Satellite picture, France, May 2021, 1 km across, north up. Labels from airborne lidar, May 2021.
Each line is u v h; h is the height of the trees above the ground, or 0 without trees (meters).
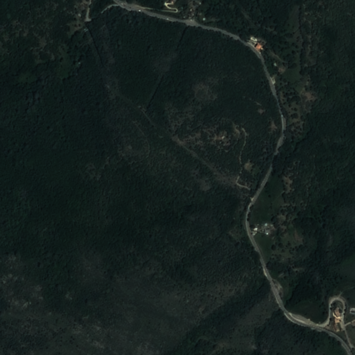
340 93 11
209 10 13
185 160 8
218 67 7
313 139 12
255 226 9
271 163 16
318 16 9
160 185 8
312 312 0
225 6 12
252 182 10
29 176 11
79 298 5
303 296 14
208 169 9
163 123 10
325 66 9
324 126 12
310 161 7
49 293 10
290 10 12
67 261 7
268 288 8
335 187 10
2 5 12
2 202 10
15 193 14
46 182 8
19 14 9
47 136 11
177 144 6
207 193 7
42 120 12
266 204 0
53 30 10
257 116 7
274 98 14
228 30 9
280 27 8
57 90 16
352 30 9
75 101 9
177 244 7
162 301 0
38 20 11
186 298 8
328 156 10
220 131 6
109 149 7
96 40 10
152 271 7
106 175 7
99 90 10
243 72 7
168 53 8
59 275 7
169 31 10
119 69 9
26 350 16
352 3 10
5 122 16
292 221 9
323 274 13
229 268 8
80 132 8
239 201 11
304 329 13
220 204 8
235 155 8
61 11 9
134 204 10
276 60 8
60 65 17
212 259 7
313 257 16
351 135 12
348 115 7
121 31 10
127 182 12
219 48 8
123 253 7
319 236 12
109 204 7
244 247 15
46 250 11
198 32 12
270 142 9
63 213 11
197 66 8
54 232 13
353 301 0
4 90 19
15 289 6
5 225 14
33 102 12
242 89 12
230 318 6
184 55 14
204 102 8
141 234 10
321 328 0
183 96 10
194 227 8
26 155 16
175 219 16
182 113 7
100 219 11
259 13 14
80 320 8
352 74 5
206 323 14
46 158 10
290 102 10
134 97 9
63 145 15
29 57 18
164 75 7
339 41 9
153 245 7
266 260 0
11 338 9
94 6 7
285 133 12
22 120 11
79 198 11
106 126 10
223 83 6
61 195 13
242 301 10
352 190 5
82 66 13
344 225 6
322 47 8
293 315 0
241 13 13
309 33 11
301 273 11
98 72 9
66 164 9
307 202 7
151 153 6
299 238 0
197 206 13
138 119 9
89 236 17
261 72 14
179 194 6
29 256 9
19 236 9
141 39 16
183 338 6
